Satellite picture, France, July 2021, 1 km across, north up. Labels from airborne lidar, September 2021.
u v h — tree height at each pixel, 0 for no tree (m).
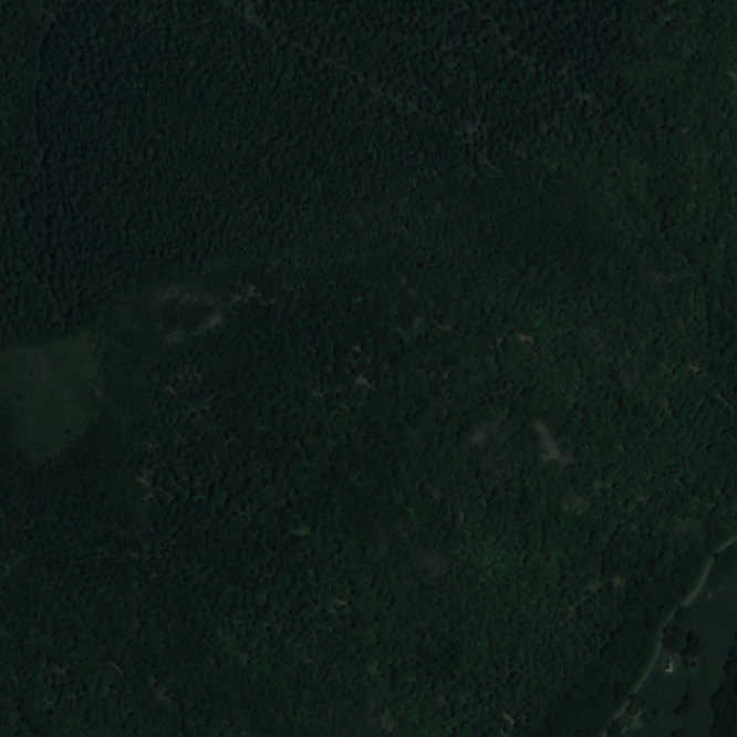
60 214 21
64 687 25
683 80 28
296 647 22
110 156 15
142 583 14
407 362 23
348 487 16
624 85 24
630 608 34
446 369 21
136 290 8
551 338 21
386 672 24
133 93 18
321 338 21
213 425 6
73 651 21
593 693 8
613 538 15
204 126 11
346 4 14
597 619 23
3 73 13
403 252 18
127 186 17
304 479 23
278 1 19
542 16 30
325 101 17
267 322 25
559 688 25
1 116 20
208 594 20
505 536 18
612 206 13
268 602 7
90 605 25
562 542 30
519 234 16
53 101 25
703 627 0
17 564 20
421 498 6
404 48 23
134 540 7
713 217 24
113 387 7
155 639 21
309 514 25
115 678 28
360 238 17
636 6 32
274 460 22
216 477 27
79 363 0
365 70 19
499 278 17
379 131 11
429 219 13
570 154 21
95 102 20
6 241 20
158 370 14
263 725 8
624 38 22
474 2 30
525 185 12
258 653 21
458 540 19
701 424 22
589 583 21
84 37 21
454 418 24
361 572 19
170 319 9
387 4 19
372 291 20
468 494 20
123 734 24
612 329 21
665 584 7
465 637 20
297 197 13
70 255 9
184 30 12
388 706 18
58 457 9
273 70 16
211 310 6
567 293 15
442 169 18
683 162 24
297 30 16
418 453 8
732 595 0
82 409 0
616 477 24
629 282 19
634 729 0
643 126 29
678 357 18
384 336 17
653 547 23
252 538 21
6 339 11
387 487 20
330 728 14
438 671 25
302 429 24
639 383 11
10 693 23
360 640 34
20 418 7
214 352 19
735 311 29
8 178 12
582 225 6
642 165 16
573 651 21
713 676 0
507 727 29
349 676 22
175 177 13
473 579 17
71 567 23
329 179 15
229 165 13
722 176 20
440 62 13
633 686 9
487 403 28
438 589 7
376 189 21
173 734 16
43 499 20
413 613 16
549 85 19
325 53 19
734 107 26
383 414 20
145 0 19
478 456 18
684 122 27
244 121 15
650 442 27
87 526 23
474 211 15
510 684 21
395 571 10
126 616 19
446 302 19
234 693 13
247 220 13
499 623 18
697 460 22
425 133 14
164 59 14
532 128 17
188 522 26
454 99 15
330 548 15
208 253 15
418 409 7
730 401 25
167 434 26
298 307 15
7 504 21
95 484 16
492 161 14
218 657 21
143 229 13
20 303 21
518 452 15
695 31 28
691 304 23
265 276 16
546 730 10
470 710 30
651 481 16
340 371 27
